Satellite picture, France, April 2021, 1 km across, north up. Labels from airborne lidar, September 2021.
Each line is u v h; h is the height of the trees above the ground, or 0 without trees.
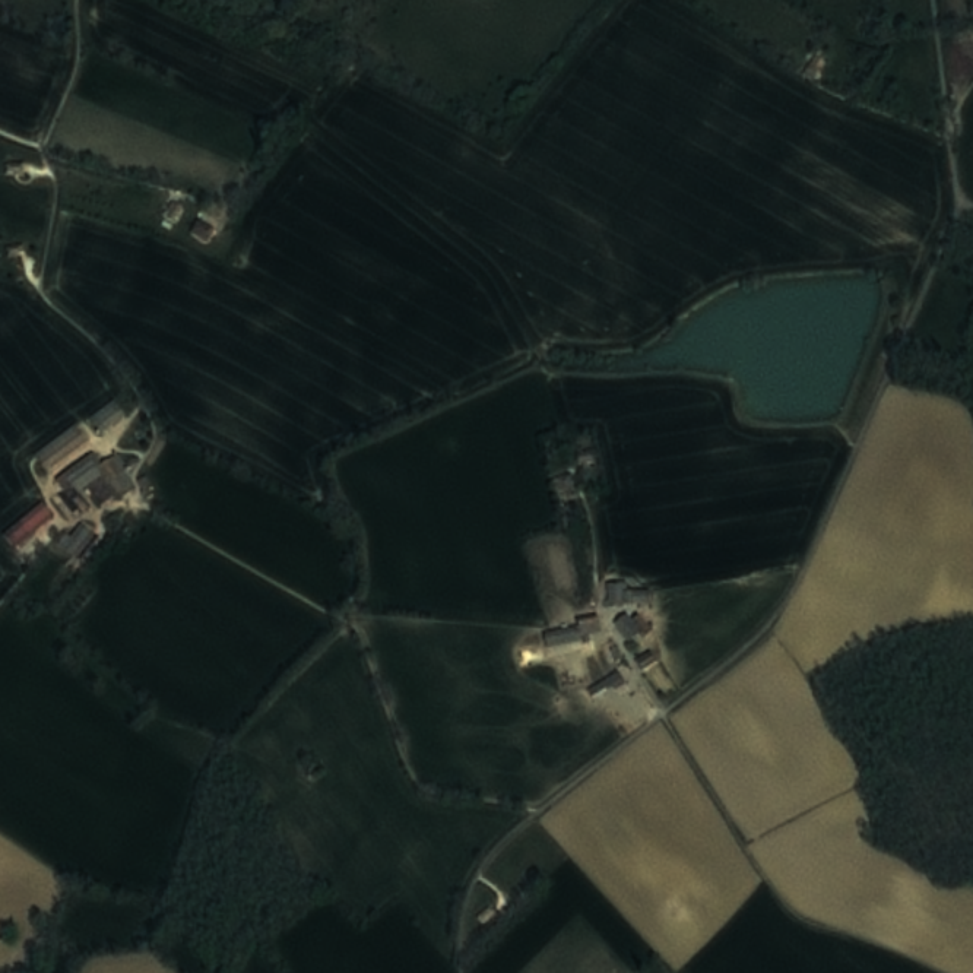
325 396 0
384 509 0
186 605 0
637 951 0
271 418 0
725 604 0
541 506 0
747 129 0
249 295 0
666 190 0
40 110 0
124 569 0
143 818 0
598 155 0
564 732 0
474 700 0
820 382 0
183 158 0
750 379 0
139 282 0
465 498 0
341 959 0
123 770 0
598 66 0
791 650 0
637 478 0
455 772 0
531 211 0
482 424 0
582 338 0
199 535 0
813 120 0
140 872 0
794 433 0
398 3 0
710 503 0
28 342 0
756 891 0
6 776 0
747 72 0
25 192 0
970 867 19
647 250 0
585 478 16
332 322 0
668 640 0
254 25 12
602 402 0
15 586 14
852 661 15
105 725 0
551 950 0
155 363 0
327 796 0
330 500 19
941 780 18
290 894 20
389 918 0
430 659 0
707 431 0
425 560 0
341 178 0
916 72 0
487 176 0
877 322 0
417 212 0
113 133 0
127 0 0
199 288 0
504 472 0
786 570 0
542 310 0
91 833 0
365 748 0
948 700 20
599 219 0
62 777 0
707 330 0
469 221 0
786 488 0
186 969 0
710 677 0
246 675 0
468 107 13
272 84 0
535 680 0
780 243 0
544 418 0
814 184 0
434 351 0
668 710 0
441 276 0
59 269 0
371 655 12
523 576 0
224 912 24
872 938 0
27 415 0
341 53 17
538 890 23
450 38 0
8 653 0
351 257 0
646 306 0
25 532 0
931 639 19
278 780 0
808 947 0
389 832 0
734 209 0
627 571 0
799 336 0
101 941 0
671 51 0
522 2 0
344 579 0
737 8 0
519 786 0
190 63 0
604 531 0
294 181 0
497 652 0
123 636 0
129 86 0
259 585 0
